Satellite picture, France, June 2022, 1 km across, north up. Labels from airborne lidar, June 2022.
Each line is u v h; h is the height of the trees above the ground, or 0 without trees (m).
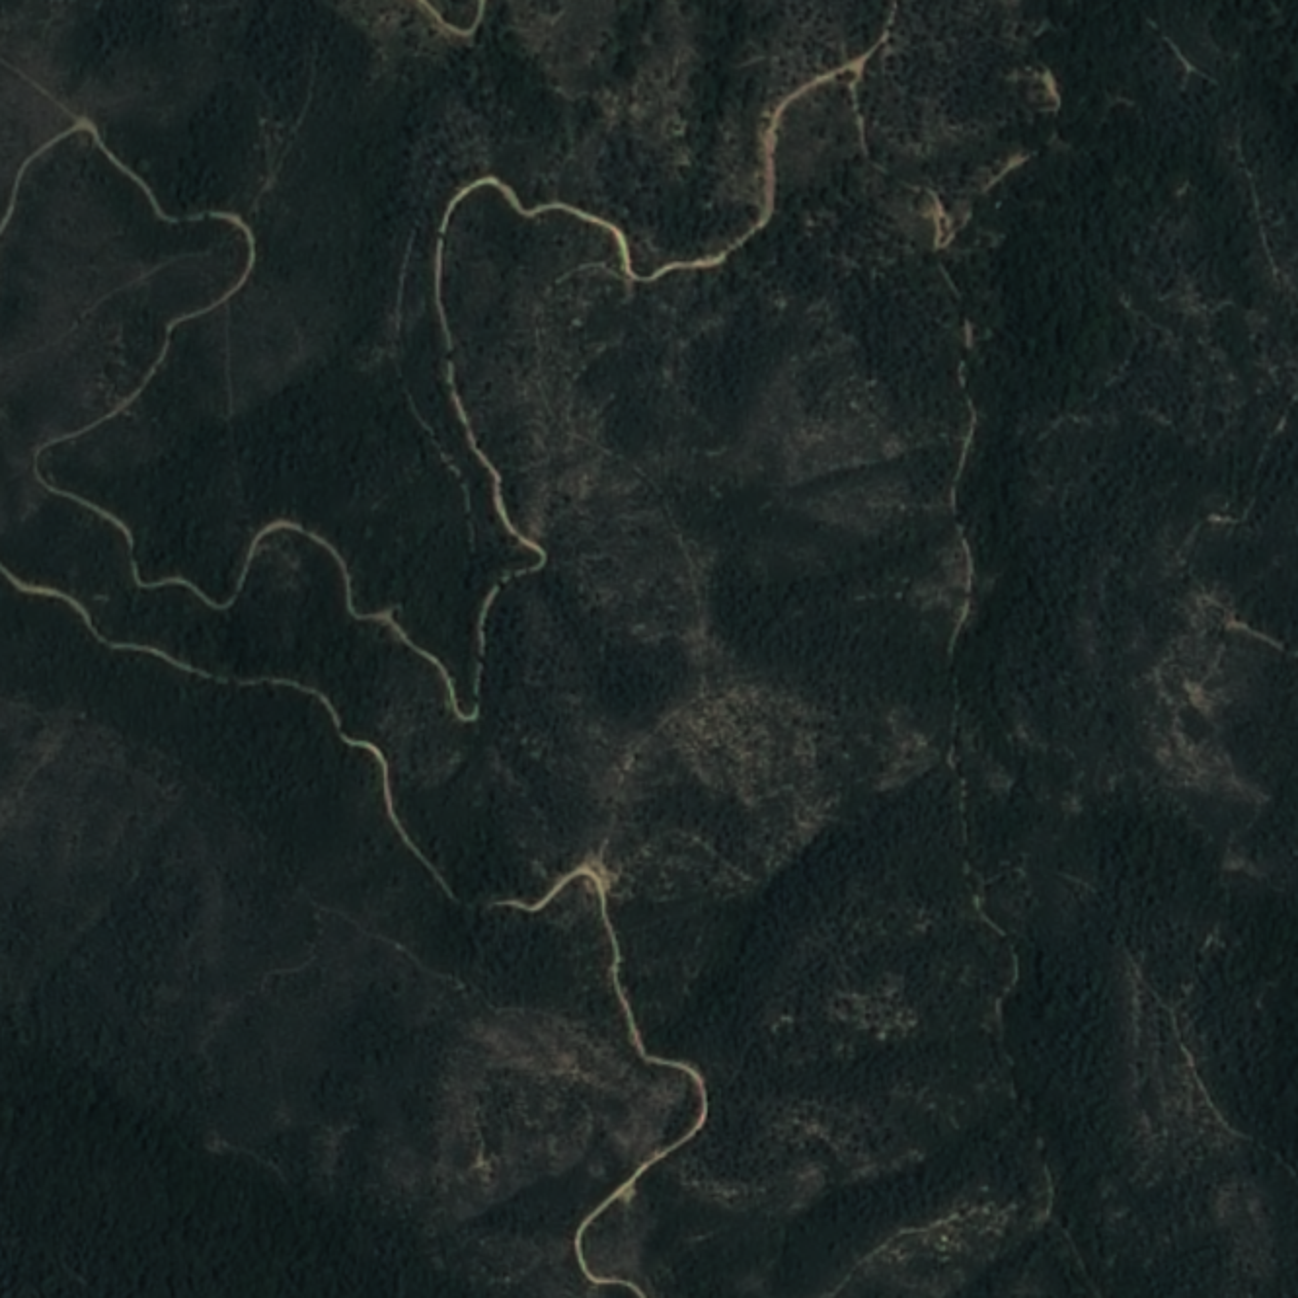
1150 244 14
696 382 10
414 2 0
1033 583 14
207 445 10
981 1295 6
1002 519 19
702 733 0
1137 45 9
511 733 7
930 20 11
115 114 0
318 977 6
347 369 7
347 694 9
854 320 15
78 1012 9
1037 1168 16
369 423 9
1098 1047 11
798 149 0
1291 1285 7
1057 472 7
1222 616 6
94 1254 12
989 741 6
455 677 9
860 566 5
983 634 13
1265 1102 9
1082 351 17
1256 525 6
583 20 0
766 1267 9
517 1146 0
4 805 0
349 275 6
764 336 9
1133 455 8
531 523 0
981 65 15
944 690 7
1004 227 6
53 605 10
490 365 0
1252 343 9
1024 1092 8
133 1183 6
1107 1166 8
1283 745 6
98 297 0
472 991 9
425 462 7
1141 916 14
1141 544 8
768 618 10
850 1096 12
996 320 11
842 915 10
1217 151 7
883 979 10
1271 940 11
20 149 0
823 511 0
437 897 7
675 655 7
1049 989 15
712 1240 7
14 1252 13
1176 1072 0
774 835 9
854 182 7
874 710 11
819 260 15
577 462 0
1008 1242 9
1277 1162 8
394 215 7
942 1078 12
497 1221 9
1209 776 0
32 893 5
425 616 12
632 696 12
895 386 10
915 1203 14
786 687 8
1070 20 13
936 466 7
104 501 10
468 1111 0
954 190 12
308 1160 7
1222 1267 7
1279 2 16
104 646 8
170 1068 5
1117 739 7
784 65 10
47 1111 12
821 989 11
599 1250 0
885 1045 6
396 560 7
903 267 10
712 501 6
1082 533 8
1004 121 13
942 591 0
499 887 12
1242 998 15
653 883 8
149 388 6
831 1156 14
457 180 15
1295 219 12
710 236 15
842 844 13
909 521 9
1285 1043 9
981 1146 7
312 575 9
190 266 0
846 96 11
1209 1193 7
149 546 12
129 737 6
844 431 0
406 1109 6
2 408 6
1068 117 12
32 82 0
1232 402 7
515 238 13
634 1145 0
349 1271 12
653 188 11
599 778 0
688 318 8
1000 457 6
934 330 14
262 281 8
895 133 6
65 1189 12
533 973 8
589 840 0
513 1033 0
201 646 11
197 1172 12
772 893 5
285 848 6
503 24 7
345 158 6
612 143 12
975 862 9
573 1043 0
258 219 8
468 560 7
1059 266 14
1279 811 6
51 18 6
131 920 6
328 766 11
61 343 0
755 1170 8
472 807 10
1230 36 10
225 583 6
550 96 8
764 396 0
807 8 9
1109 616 6
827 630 14
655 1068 6
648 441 7
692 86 7
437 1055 6
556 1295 0
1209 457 10
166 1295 11
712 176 8
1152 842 10
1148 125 7
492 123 14
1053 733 8
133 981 6
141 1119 13
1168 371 12
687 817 9
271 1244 8
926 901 14
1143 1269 7
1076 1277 12
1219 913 8
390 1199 7
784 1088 10
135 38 11
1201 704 0
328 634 6
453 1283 8
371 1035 6
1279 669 6
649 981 11
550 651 9
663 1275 7
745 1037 10
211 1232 8
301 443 13
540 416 0
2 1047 6
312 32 9
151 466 7
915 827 11
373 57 9
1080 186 9
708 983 10
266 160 8
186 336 14
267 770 7
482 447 9
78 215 0
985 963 6
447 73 9
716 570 8
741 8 10
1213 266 12
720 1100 11
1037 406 12
